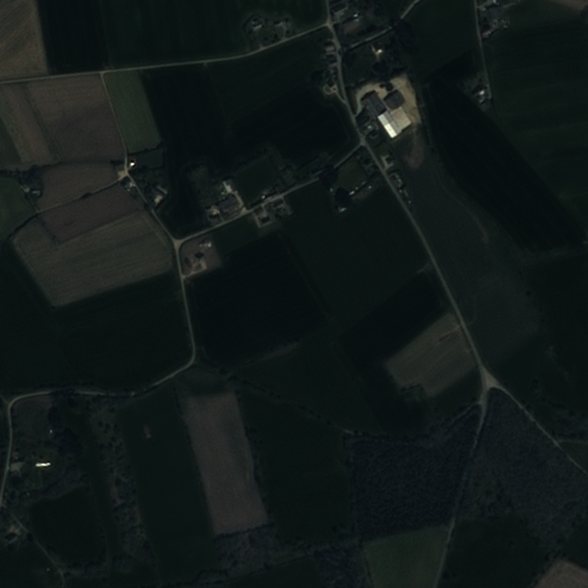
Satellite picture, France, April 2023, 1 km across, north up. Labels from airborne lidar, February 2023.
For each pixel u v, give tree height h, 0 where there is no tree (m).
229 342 0
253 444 17
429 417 0
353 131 0
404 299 0
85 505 0
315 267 0
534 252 0
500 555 0
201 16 0
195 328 0
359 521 15
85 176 0
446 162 0
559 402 0
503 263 0
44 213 0
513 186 0
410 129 0
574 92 0
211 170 0
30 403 0
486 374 0
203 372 0
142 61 0
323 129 0
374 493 15
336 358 0
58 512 0
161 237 0
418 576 0
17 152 0
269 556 14
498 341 0
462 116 0
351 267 0
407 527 14
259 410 0
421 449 14
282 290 0
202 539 0
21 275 0
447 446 15
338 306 0
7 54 0
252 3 0
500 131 0
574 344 0
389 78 8
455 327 0
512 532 0
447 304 0
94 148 0
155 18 0
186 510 0
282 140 0
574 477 12
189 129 0
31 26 0
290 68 0
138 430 0
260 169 0
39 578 0
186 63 0
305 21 0
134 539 10
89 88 0
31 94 0
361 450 14
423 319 0
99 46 0
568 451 0
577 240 0
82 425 0
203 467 0
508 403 11
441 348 0
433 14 0
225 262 0
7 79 0
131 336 0
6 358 0
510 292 0
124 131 0
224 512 0
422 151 0
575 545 0
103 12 0
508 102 0
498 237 0
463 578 0
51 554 15
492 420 10
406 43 22
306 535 0
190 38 0
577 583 0
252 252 0
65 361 0
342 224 0
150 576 0
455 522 13
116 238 0
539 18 0
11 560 0
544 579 0
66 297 0
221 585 8
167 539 0
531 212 0
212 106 0
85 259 0
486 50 0
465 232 0
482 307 0
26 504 13
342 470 0
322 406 0
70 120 0
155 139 0
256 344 0
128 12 0
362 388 0
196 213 0
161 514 0
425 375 0
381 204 0
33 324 0
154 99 0
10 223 0
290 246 0
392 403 0
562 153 0
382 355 0
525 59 0
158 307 0
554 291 0
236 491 0
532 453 13
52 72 0
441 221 0
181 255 0
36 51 0
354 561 16
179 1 0
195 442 0
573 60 0
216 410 0
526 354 0
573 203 0
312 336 0
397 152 0
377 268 0
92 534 0
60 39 0
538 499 15
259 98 0
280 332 0
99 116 0
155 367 0
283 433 0
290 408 0
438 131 0
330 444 0
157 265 0
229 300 0
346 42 7
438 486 14
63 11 0
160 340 0
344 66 9
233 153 0
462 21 0
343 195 16
